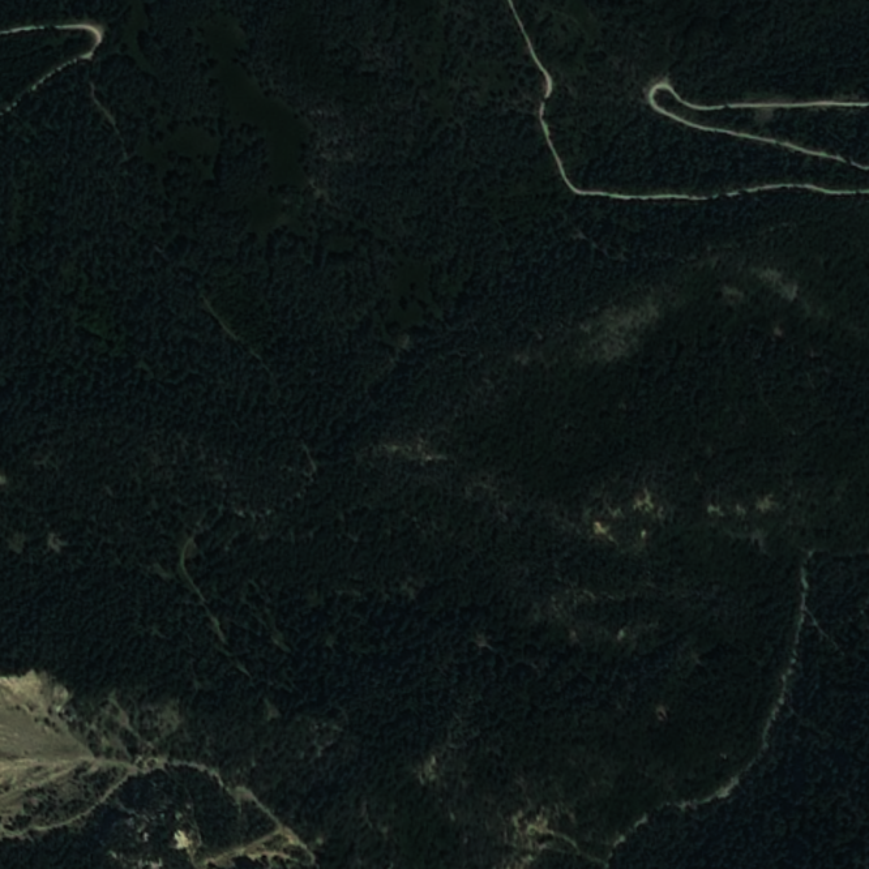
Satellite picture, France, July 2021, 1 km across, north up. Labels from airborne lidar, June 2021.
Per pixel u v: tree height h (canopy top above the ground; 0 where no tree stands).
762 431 15
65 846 9
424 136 15
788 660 12
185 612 19
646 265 29
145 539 16
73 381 17
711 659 18
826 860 22
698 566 18
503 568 15
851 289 20
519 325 25
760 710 16
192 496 19
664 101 10
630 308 6
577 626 7
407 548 23
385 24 24
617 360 7
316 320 30
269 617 29
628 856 12
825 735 6
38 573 22
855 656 19
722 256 12
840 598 17
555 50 8
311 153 14
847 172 13
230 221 32
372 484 11
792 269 8
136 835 7
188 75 30
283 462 12
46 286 32
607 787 6
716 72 20
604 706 20
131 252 16
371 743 14
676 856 19
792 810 47
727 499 7
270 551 18
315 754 15
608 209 17
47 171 10
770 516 9
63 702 0
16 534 7
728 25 26
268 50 14
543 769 23
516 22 6
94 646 22
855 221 10
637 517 11
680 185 18
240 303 9
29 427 28
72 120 29
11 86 10
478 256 21
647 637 21
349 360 23
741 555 21
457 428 16
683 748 20
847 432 16
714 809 15
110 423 15
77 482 10
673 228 21
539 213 11
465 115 19
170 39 29
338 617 12
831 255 20
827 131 26
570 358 11
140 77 31
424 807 14
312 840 13
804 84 23
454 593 16
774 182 8
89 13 9
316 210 7
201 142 0
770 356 24
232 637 13
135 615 20
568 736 15
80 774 7
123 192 29
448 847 13
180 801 10
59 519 17
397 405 18
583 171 12
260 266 27
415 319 0
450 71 13
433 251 23
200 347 34
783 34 23
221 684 25
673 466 13
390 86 14
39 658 15
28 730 0
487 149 22
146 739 9
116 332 11
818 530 9
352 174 16
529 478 20
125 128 23
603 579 8
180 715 9
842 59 22
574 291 22
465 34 12
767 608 24
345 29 28
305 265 18
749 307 15
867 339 9
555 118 10
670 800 14
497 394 12
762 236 8
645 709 14
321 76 24
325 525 15
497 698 26
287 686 0
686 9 20
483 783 13
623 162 19
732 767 24
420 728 27
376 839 12
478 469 16
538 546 21
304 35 29
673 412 14
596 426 17
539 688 26
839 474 17
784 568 28
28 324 27
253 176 31
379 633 9
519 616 18
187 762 11
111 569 24
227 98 9
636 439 13
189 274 24
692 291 11
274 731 10
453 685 27
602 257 24
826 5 18
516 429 14
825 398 16
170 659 25
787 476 14
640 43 16
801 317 10
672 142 12
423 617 39
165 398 30
